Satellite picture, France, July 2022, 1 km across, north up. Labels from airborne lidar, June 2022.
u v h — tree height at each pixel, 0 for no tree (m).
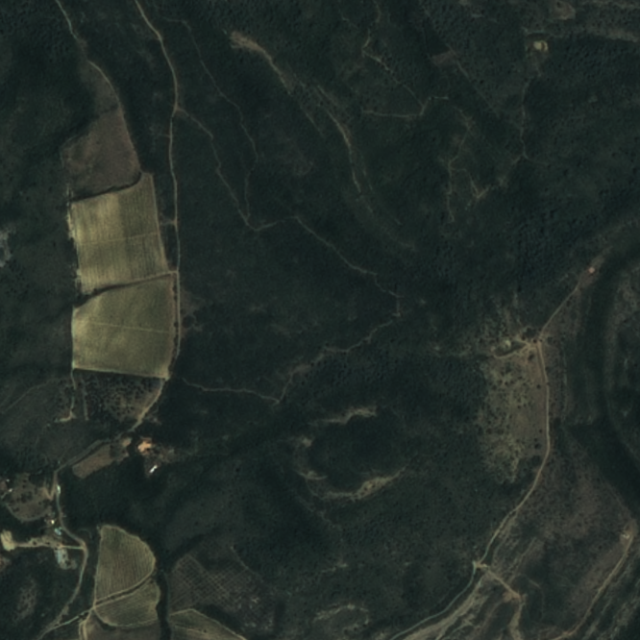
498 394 0
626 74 6
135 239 0
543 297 0
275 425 9
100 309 0
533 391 0
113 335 0
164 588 8
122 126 0
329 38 10
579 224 7
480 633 0
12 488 17
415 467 6
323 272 6
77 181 0
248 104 6
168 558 9
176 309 0
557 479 0
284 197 6
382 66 6
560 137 7
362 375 12
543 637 0
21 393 0
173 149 0
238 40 0
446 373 9
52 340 0
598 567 0
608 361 0
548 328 0
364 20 8
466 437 9
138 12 0
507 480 7
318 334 6
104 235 0
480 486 7
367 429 6
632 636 6
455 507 6
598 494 0
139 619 0
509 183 6
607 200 6
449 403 7
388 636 0
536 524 0
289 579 7
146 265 0
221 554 0
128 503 6
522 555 0
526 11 7
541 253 10
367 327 6
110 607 0
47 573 6
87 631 0
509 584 0
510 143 6
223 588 0
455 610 0
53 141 7
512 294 7
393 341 11
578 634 0
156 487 7
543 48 0
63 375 0
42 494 0
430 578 0
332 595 7
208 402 6
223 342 5
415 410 9
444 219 13
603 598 0
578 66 7
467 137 0
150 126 0
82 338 0
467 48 9
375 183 9
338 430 6
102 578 0
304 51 8
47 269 0
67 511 6
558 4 8
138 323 0
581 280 0
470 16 7
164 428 6
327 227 7
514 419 0
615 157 7
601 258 0
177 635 0
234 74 6
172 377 5
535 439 6
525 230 17
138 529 9
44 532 7
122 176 0
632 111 6
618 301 0
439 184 6
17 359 0
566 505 6
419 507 7
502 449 0
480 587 0
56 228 0
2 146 0
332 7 7
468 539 6
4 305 0
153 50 6
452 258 13
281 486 7
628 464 6
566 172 9
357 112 6
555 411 0
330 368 6
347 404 6
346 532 10
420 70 6
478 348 0
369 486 0
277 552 9
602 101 7
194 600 0
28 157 6
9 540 0
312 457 5
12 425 0
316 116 6
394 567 0
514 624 0
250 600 0
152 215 0
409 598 6
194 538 5
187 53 7
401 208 7
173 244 5
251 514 6
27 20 8
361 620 0
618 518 0
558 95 6
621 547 0
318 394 10
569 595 0
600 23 7
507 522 0
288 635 0
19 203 0
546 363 0
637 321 0
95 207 0
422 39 7
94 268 0
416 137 8
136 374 0
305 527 6
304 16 12
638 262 0
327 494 0
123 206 0
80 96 6
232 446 10
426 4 8
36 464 13
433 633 0
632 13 7
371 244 7
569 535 0
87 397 6
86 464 0
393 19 9
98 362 0
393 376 7
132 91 6
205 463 8
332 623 0
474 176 7
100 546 0
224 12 12
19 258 0
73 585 6
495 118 7
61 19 9
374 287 5
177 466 7
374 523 11
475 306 7
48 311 0
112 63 7
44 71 5
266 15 10
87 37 7
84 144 0
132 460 9
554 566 0
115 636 0
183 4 7
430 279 7
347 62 5
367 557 0
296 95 8
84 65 0
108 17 0
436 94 7
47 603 7
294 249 6
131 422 6
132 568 0
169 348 0
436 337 6
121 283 0
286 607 0
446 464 7
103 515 9
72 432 0
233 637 0
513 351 0
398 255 5
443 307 9
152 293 0
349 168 6
